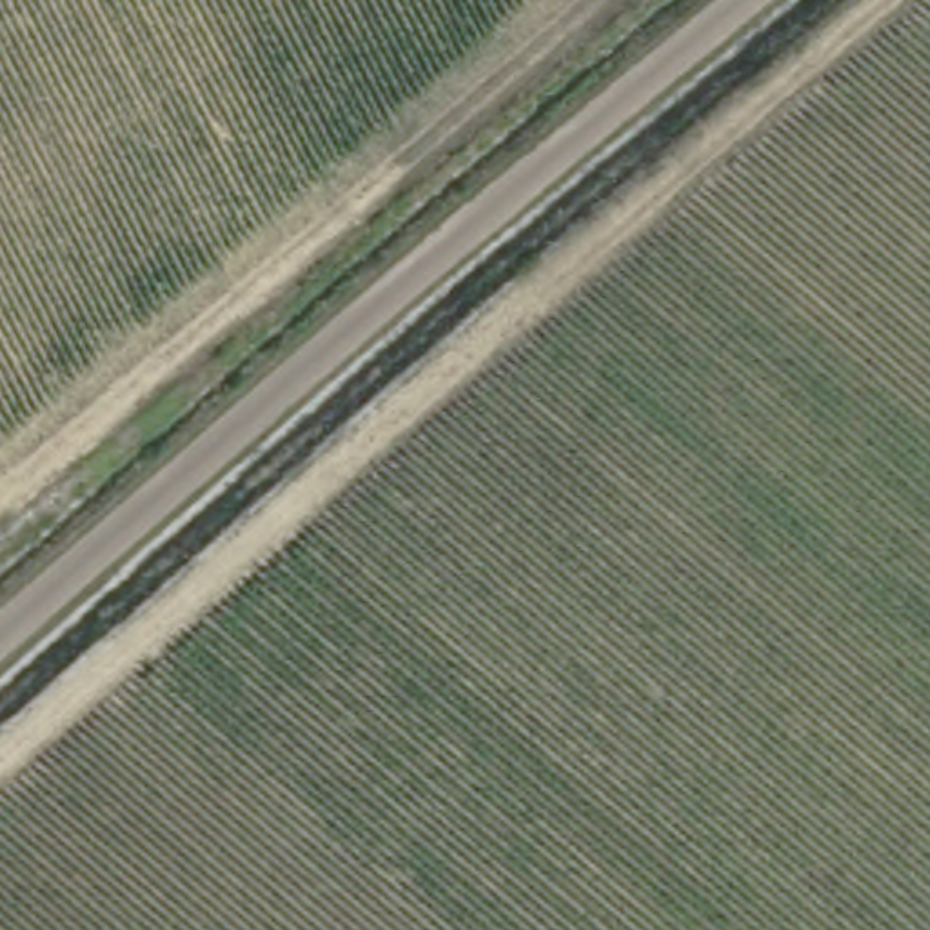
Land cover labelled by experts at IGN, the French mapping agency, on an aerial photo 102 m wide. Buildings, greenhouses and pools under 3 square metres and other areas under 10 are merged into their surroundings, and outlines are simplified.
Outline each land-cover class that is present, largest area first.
<instances>
[{"label":"vineyard","instance_id":"1","mask_svg":"<svg viewBox=\"0 0 930 930\"><path fill-rule=\"evenodd\" d=\"M614 0H0V476L29 454H36L47 440H54L91 403H98L113 389V381L131 374L185 323H193L196 312L222 298L233 280H243L251 269H258L283 243V236H294L302 225H309L312 207L298 193L327 207L378 163H396L403 174L418 171L432 153L447 149L458 138V131H465L490 105H498L516 84H523L545 58H552L567 40H574L578 29L599 18ZM0 930H930V0H905L861 44L839 54L821 76H810L756 131H748L723 156H716L690 185H683L672 196V203L639 236L621 243V251L599 272H592L578 291H570L559 309H552L530 331L501 345L465 385H458L440 407H432L414 429H407L385 454L371 458L334 498H327L298 527V534L287 545H280L265 563H258L229 596L203 607L196 621L182 628L156 658H145L134 672L113 683L76 723H69L54 741H47L0 781Z\"/></svg>","mask_w":930,"mask_h":930},{"label":"herbaceous vegetation","instance_id":"2","mask_svg":"<svg viewBox=\"0 0 930 930\"><path fill-rule=\"evenodd\" d=\"M708 0H614L599 18L578 29L574 40H567L552 58H545L523 84H516L498 105H490L465 131H458V138L447 149L432 153L418 171L403 174L400 185L385 200H378L360 225L345 229L327 251H320L251 316L236 320L218 341L200 349L167 381H160L87 454L73 458L33 498L0 512V603L11 599L25 581H33L73 538L87 534L113 501L131 494L142 480H149L167 454L185 447L222 411H229L247 385L262 381L276 367L280 356L294 352L371 280H378L411 247H418L447 214H454L505 167H512V160L534 149L552 127L570 120L592 94H599L614 76L639 62L658 40H665ZM854 0H770L752 22H745L734 36H727L683 76H676L647 109H639L607 138H599L574 167H567L541 196H534L505 225H498V233H490L476 251L458 258L443 276L418 291L389 323H381L360 349H352L294 403H287L243 450L222 461L200 487H193L142 538H134L113 563H105L76 596H69L44 625H36L11 654L0 658V727L15 719L29 701H36L80 654H87L124 621H131V614L142 603H149L171 578L189 570L193 559L214 538H222L240 516H247L251 505L302 476L316 450L341 432V425L352 414H360L414 363H421L469 312L494 298L505 283L527 276L541 262V254L552 251L559 240L589 225L610 203H618L632 182L654 178L665 156L694 127L727 109L734 94L756 87L777 62L799 54L817 29L843 15Z\"/></svg>","mask_w":930,"mask_h":930},{"label":"pervious surface","instance_id":"3","mask_svg":"<svg viewBox=\"0 0 930 930\"><path fill-rule=\"evenodd\" d=\"M905 0H854L843 15L817 29L799 54L777 62L756 87L734 94L727 109L694 127L665 156L654 178L632 182L618 203H610L589 225L559 240L552 251L541 254V262L527 276L505 283L494 298L469 312L421 363H414L360 414H352L341 425V432L316 450L302 476L251 505L247 516H240L222 538H214L193 559L189 570L171 578L149 603H142L131 614V621H124L87 654H80L36 701H29L15 719L0 727V781L47 741H54L69 723H76L113 683L134 672L145 658H156L182 628L196 621L203 607L229 596L258 563H265L280 545H287L298 534V527L327 498H334L371 458L385 454L407 429H414L432 407H440L458 385H465L501 345L530 331L552 309H559L570 291H578L592 272H599L621 251V243L639 236L672 203V196L683 185H690L716 156H723L748 131H756L810 76H821L839 54L861 44ZM403 174L396 163H378L327 207L298 193L312 207L309 225H302L294 236H283V243L258 269H251L243 280H233L222 298L196 312L193 323H185L131 374L113 381V389L98 403H91L54 440H47L36 454H29L0 476V512L33 498L73 458L87 454L160 381H167L200 349L218 341L236 320L251 316L320 251H327L345 229L360 225L378 200H385L400 185Z\"/></svg>","mask_w":930,"mask_h":930},{"label":"impervious surface","instance_id":"4","mask_svg":"<svg viewBox=\"0 0 930 930\"><path fill-rule=\"evenodd\" d=\"M770 0H708L665 40H658L639 62L614 76L599 94H592L570 120L552 127L534 149L512 160V167H505L454 214H447L418 247H411L378 280H371L294 352L280 356L276 367L262 381L247 385L229 411H222L185 447L167 454L149 480H142L131 494L113 501L87 534L73 538L33 581H25L11 599L0 603V658L11 654L36 625H44L69 596H76L105 563H113L134 538H142L193 487H200L222 461L243 450L287 403H294L352 349H360L381 323H389L418 291L443 276L458 258L476 251L490 233H498V225H505L534 196H541L567 167H574L599 138H607L639 109H647L676 76H683L727 36H734L745 22H752Z\"/></svg>","mask_w":930,"mask_h":930}]
</instances>
